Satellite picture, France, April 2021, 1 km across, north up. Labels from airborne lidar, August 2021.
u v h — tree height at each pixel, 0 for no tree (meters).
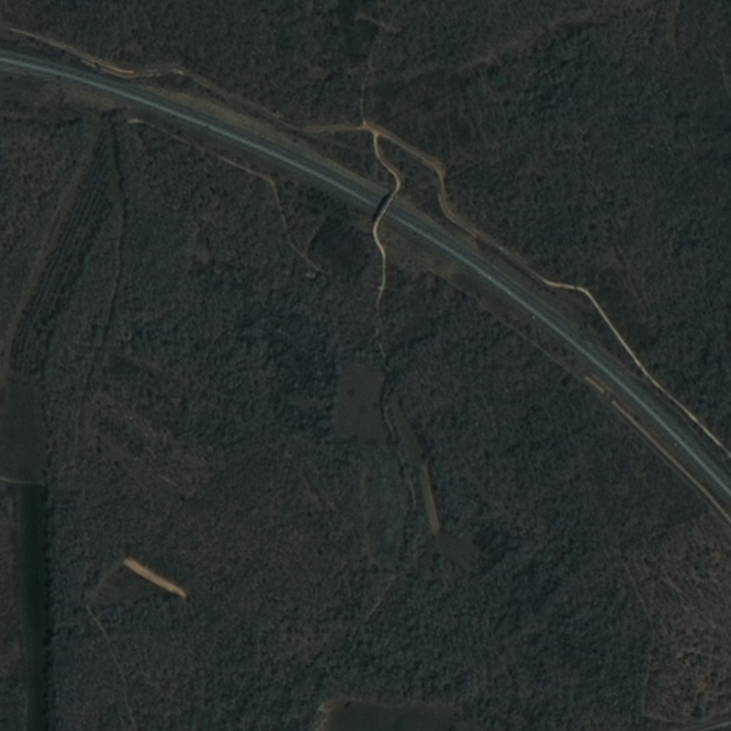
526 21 14
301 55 11
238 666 13
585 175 12
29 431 0
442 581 15
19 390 0
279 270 10
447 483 16
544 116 8
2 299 13
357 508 16
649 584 13
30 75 0
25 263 14
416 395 15
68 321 15
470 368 13
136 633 12
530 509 10
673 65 10
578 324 0
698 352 17
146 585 0
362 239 10
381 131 0
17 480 0
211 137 0
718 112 6
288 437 12
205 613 13
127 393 9
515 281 0
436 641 14
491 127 15
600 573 11
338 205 8
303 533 7
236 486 7
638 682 10
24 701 8
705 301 16
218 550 6
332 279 11
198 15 13
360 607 6
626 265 19
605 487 8
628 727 8
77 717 8
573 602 14
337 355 11
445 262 0
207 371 11
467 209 9
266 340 7
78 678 10
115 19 10
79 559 5
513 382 11
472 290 0
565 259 19
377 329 11
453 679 5
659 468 10
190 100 0
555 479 14
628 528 11
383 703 12
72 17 10
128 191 10
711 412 14
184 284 14
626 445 7
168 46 9
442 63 13
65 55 9
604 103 13
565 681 13
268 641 12
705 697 9
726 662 8
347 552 8
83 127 13
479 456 8
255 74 12
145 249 13
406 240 0
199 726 14
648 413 0
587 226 8
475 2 10
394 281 8
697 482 0
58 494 6
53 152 12
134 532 9
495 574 15
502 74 15
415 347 17
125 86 0
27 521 0
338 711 0
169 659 12
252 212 12
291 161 0
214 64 12
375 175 6
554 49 12
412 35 13
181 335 15
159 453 9
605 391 0
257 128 0
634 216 10
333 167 0
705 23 13
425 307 9
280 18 13
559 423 17
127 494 6
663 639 10
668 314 14
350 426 0
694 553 10
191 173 11
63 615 12
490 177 7
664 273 15
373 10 12
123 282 13
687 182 12
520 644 6
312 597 8
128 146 13
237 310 13
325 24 6
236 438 10
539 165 13
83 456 7
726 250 18
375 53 12
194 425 9
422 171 13
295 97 12
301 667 9
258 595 11
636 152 15
